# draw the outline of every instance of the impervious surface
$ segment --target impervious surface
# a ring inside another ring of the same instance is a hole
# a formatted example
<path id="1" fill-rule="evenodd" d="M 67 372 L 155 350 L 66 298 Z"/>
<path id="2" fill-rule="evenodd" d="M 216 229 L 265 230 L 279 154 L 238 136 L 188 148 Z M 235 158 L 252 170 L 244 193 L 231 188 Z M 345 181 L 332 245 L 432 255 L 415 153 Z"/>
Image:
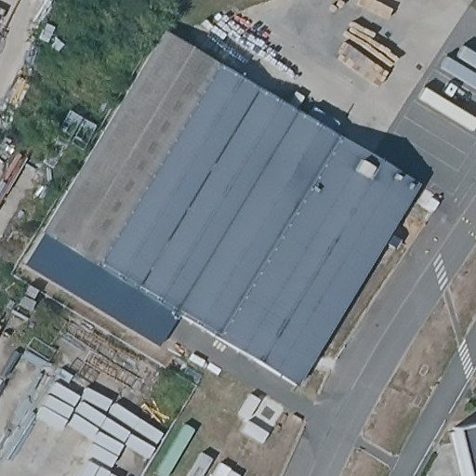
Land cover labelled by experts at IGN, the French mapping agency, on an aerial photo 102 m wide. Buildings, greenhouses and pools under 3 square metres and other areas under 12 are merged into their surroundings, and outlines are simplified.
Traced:
<path id="1" fill-rule="evenodd" d="M 162 439 L 162 433 L 167 431 L 167 426 L 164 422 L 152 418 L 139 405 L 149 400 L 152 387 L 160 377 L 160 368 L 165 368 L 169 364 L 178 364 L 180 368 L 197 364 L 212 374 L 219 374 L 219 370 L 223 370 L 245 383 L 247 387 L 251 387 L 253 396 L 247 396 L 238 416 L 242 418 L 242 430 L 245 435 L 258 443 L 264 443 L 266 435 L 273 433 L 271 424 L 279 420 L 283 407 L 292 409 L 292 413 L 303 420 L 303 433 L 294 454 L 290 457 L 284 476 L 338 476 L 351 448 L 357 448 L 387 463 L 392 472 L 390 476 L 461 476 L 457 469 L 452 433 L 461 428 L 459 424 L 463 418 L 476 413 L 476 312 L 467 327 L 469 333 L 457 346 L 459 357 L 454 359 L 448 372 L 444 374 L 443 381 L 435 385 L 435 394 L 426 411 L 420 416 L 413 435 L 405 444 L 403 454 L 390 454 L 383 444 L 374 448 L 364 443 L 361 439 L 361 430 L 366 416 L 374 407 L 379 390 L 383 389 L 392 368 L 400 361 L 403 350 L 411 342 L 411 338 L 415 337 L 416 329 L 428 318 L 435 301 L 441 297 L 441 290 L 448 290 L 448 294 L 452 292 L 448 279 L 456 277 L 457 268 L 461 266 L 463 258 L 467 257 L 470 247 L 474 245 L 474 238 L 470 238 L 470 232 L 476 232 L 476 0 L 270 0 L 258 6 L 247 7 L 244 13 L 229 11 L 227 15 L 208 17 L 203 22 L 203 30 L 197 30 L 188 24 L 177 24 L 175 28 L 171 28 L 171 33 L 199 48 L 221 65 L 227 65 L 232 71 L 244 74 L 247 80 L 264 87 L 266 91 L 277 95 L 299 112 L 311 115 L 312 119 L 335 130 L 340 136 L 383 156 L 387 162 L 400 169 L 400 175 L 413 177 L 415 197 L 407 206 L 407 210 L 403 210 L 396 231 L 387 238 L 385 247 L 379 251 L 376 262 L 366 273 L 355 296 L 351 297 L 350 305 L 342 312 L 338 324 L 331 331 L 324 348 L 320 350 L 322 359 L 316 370 L 311 368 L 309 377 L 305 377 L 301 383 L 284 376 L 277 368 L 264 363 L 253 353 L 242 350 L 229 340 L 219 337 L 218 333 L 214 333 L 212 329 L 186 314 L 182 314 L 182 322 L 178 324 L 171 338 L 167 338 L 164 344 L 156 344 L 123 322 L 119 322 L 108 312 L 102 311 L 93 303 L 67 290 L 65 286 L 52 281 L 46 284 L 45 296 L 63 297 L 69 297 L 74 303 L 73 314 L 69 314 L 71 322 L 65 325 L 69 327 L 69 331 L 63 333 L 63 337 L 59 338 L 59 344 L 52 344 L 50 351 L 43 357 L 24 353 L 24 348 L 19 348 L 15 344 L 13 335 L 0 337 L 0 476 L 143 476 L 151 465 L 154 450 L 160 448 L 158 441 Z"/>
<path id="2" fill-rule="evenodd" d="M 19 206 L 20 199 L 24 199 L 26 190 L 32 188 L 33 180 L 41 178 L 41 171 L 35 171 L 26 164 L 26 158 L 20 156 L 20 152 L 15 151 L 9 138 L 0 143 L 0 238 L 6 229 L 7 221 Z"/>
<path id="3" fill-rule="evenodd" d="M 52 6 L 50 0 L 0 0 L 0 110 L 6 110 L 7 104 L 11 102 L 19 106 L 28 89 L 28 82 L 20 78 L 20 73 L 30 76 L 35 63 L 32 30 L 37 28 L 39 20 L 45 19 L 48 15 Z"/>

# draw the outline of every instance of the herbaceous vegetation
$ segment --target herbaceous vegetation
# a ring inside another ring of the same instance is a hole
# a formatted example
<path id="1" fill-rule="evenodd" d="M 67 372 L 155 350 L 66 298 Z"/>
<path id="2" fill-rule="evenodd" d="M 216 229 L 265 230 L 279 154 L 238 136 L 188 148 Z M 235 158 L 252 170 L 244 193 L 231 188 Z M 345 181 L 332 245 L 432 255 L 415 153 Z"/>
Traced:
<path id="1" fill-rule="evenodd" d="M 7 104 L 6 110 L 0 110 L 0 128 L 9 128 L 13 125 L 19 106 L 11 102 Z"/>
<path id="2" fill-rule="evenodd" d="M 26 164 L 35 171 L 41 171 L 41 178 L 33 180 L 32 188 L 26 190 L 24 199 L 20 199 L 19 206 L 7 221 L 6 229 L 0 238 L 0 264 L 11 262 L 30 279 L 35 279 L 33 286 L 30 286 L 20 299 L 19 311 L 15 311 L 13 301 L 7 301 L 6 314 L 0 316 L 0 337 L 13 335 L 13 327 L 26 324 L 30 311 L 35 309 L 35 303 L 43 303 L 52 309 L 56 316 L 61 316 L 63 297 L 45 296 L 46 284 L 52 281 L 45 273 L 28 266 L 35 249 L 45 238 L 46 229 L 43 227 L 33 236 L 26 236 L 26 232 L 22 232 L 22 221 L 32 221 L 35 210 L 43 205 L 45 188 L 52 178 L 52 169 L 58 164 L 58 160 L 50 156 L 33 164 L 32 152 L 20 152 L 20 156 L 26 158 Z"/>
<path id="3" fill-rule="evenodd" d="M 65 126 L 67 119 L 80 128 L 95 128 L 95 125 L 102 128 L 106 126 L 106 121 L 87 112 L 82 104 L 76 104 L 74 108 L 67 108 L 58 113 L 56 121 L 59 128 Z"/>
<path id="4" fill-rule="evenodd" d="M 219 370 L 219 374 L 212 374 L 197 364 L 180 368 L 178 364 L 169 364 L 165 368 L 160 368 L 160 377 L 152 387 L 149 400 L 139 405 L 152 418 L 164 422 L 167 426 L 167 431 L 162 433 L 162 439 L 158 441 L 160 448 L 154 450 L 151 465 L 143 476 L 284 476 L 290 457 L 294 454 L 303 433 L 303 420 L 292 413 L 292 409 L 283 407 L 279 420 L 271 424 L 273 433 L 266 435 L 264 443 L 258 443 L 245 435 L 242 430 L 242 418 L 238 416 L 247 396 L 253 396 L 251 387 L 247 387 L 245 383 L 223 370 Z"/>
<path id="5" fill-rule="evenodd" d="M 338 476 L 390 476 L 392 472 L 387 463 L 357 448 L 351 448 Z"/>
<path id="6" fill-rule="evenodd" d="M 247 7 L 258 6 L 270 0 L 178 0 L 178 11 L 182 11 L 184 15 L 192 7 L 199 7 L 208 17 L 227 15 L 229 11 L 244 13 Z"/>
<path id="7" fill-rule="evenodd" d="M 41 41 L 46 41 L 56 50 L 61 50 L 63 43 L 56 37 L 54 26 L 48 24 L 41 33 Z"/>
<path id="8" fill-rule="evenodd" d="M 416 329 L 415 337 L 411 338 L 411 342 L 403 350 L 400 361 L 392 368 L 383 389 L 379 390 L 374 407 L 366 416 L 361 430 L 361 439 L 364 443 L 374 448 L 383 444 L 390 454 L 403 454 L 405 444 L 413 435 L 420 416 L 426 411 L 435 394 L 435 385 L 443 381 L 444 374 L 448 372 L 454 359 L 459 357 L 457 346 L 469 333 L 467 327 L 476 312 L 476 232 L 470 232 L 470 238 L 474 238 L 474 245 L 470 247 L 467 257 L 463 258 L 461 266 L 457 268 L 456 277 L 448 279 L 452 292 L 448 294 L 448 290 L 441 290 L 441 297 L 435 301 L 428 318 Z"/>

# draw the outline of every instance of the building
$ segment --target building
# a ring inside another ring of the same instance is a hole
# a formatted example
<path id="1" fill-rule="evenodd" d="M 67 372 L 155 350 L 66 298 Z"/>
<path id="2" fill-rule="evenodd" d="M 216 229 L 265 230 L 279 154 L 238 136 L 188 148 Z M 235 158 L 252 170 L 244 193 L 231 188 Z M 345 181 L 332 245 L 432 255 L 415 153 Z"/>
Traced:
<path id="1" fill-rule="evenodd" d="M 461 476 L 476 476 L 476 413 L 463 418 L 459 424 L 461 428 L 452 433 L 457 469 Z"/>
<path id="2" fill-rule="evenodd" d="M 125 99 L 113 108 L 112 115 L 106 121 L 106 126 L 102 128 L 95 147 L 84 160 L 82 169 L 74 175 L 65 192 L 61 193 L 58 205 L 54 206 L 43 227 L 46 229 L 45 238 L 35 249 L 28 266 L 45 273 L 52 281 L 65 286 L 67 290 L 93 303 L 102 311 L 108 312 L 119 322 L 123 322 L 156 344 L 164 344 L 167 338 L 171 338 L 178 324 L 182 322 L 182 314 L 186 314 L 212 329 L 214 333 L 218 333 L 219 337 L 229 340 L 242 350 L 253 353 L 264 363 L 277 368 L 284 376 L 301 383 L 305 377 L 309 377 L 311 368 L 316 370 L 322 359 L 320 350 L 324 348 L 331 331 L 338 324 L 342 312 L 350 305 L 351 297 L 355 296 L 366 273 L 376 262 L 379 251 L 385 247 L 387 238 L 396 231 L 403 210 L 407 210 L 407 206 L 415 197 L 413 177 L 400 175 L 400 169 L 387 162 L 383 156 L 340 136 L 335 130 L 312 119 L 311 115 L 299 112 L 277 95 L 266 91 L 264 87 L 247 80 L 244 74 L 232 71 L 227 65 L 221 65 L 199 48 L 171 33 L 164 33 L 162 41 L 141 61 L 136 80 L 126 89 Z"/>

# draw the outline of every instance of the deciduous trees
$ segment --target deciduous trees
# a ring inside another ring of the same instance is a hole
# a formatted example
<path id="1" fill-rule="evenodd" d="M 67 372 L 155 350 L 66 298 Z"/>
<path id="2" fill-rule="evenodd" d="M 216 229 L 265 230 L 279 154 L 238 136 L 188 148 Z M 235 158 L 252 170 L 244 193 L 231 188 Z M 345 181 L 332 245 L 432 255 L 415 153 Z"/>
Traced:
<path id="1" fill-rule="evenodd" d="M 20 299 L 30 286 L 33 286 L 35 279 L 30 279 L 11 262 L 0 264 L 0 316 L 6 314 L 7 301 L 13 301 L 15 311 L 19 311 Z"/>
<path id="2" fill-rule="evenodd" d="M 63 333 L 69 331 L 69 327 L 65 325 L 71 322 L 69 314 L 73 314 L 74 303 L 69 297 L 63 297 L 61 316 L 56 316 L 52 309 L 43 303 L 35 303 L 35 309 L 30 311 L 26 324 L 13 327 L 13 335 L 15 344 L 19 348 L 24 348 L 24 353 L 43 357 L 50 351 L 52 344 L 59 344 L 59 338 L 63 337 Z"/>
<path id="3" fill-rule="evenodd" d="M 43 227 L 54 206 L 58 205 L 61 193 L 65 192 L 74 175 L 82 169 L 84 160 L 95 147 L 102 128 L 95 125 L 95 128 L 80 128 L 67 119 L 65 126 L 59 128 L 56 121 L 58 113 L 67 108 L 74 108 L 76 104 L 82 104 L 87 112 L 106 121 L 112 115 L 113 108 L 125 99 L 126 89 L 136 80 L 141 61 L 162 41 L 164 33 L 171 33 L 171 28 L 175 28 L 177 24 L 188 24 L 197 30 L 203 30 L 203 22 L 208 17 L 199 7 L 192 7 L 184 15 L 182 11 L 178 11 L 178 0 L 50 0 L 52 6 L 48 15 L 45 19 L 39 20 L 37 28 L 32 30 L 35 63 L 30 76 L 20 73 L 20 78 L 28 82 L 28 89 L 19 106 L 13 125 L 9 128 L 0 128 L 0 143 L 9 138 L 15 151 L 20 152 L 32 152 L 33 164 L 50 156 L 58 160 L 58 164 L 52 169 L 52 178 L 45 188 L 43 205 L 35 210 L 32 221 L 22 221 L 22 232 L 26 232 L 26 236 L 33 236 Z M 46 41 L 41 41 L 41 33 L 48 24 L 54 26 L 56 37 L 63 43 L 61 50 L 56 50 Z"/>

